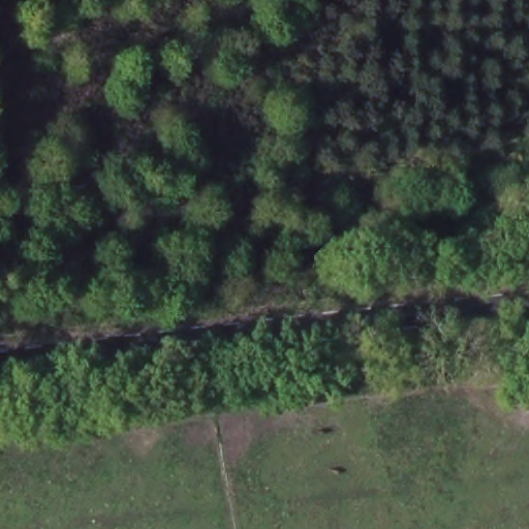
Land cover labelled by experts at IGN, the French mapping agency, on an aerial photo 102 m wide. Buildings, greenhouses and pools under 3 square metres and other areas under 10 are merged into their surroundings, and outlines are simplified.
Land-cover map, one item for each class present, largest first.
<instances>
[{"label":"deciduous trees","instance_id":"1","mask_svg":"<svg viewBox=\"0 0 529 529\"><path fill-rule=\"evenodd\" d=\"M329 6H335L339 12L345 14L351 12L353 6L347 4V0H0V339L8 345H35L39 341H54V329H68L72 333L89 335L101 331L118 333L130 324L149 329H174L180 320L219 322L238 316H250L256 320L252 335H238L229 343L217 339L215 335H205V339L188 343H182L180 339H163L157 351L149 347H130L126 351H120L114 364H107L97 347L83 349V341L72 343L70 347L60 345L52 355L33 357L27 364H21L19 360H10L8 364L0 362V446H19L23 440H29L31 444L33 434L37 432H56L58 436H62V440H74L79 444V440L87 436L93 438L95 432L101 436H114L126 434L136 428H155L157 432H172L178 426H184L186 417L194 413H248L254 405H258L262 417H273L289 411H300L302 407L316 403V397H326L329 409L339 411L345 399L343 393L376 395L380 391H393L397 395V388L401 386L422 388L436 382L446 384L457 378L467 380V384L473 388L492 386L496 391L494 399L502 411H529V318L523 316L521 302H506L500 304L494 318H475L459 322L457 310L453 308L446 310L444 320H440L436 316V302L448 291H463L486 302L502 289H529V134L523 132V136L500 138V147L494 151L508 165L492 172L490 182L494 190L488 196L479 198L471 194L467 186L463 153L457 157H436L438 147L430 145H422L417 151L411 153L407 151L401 157V163H397V167L391 172L388 180H384L374 190L378 200L382 203L380 211H368L360 219L357 227L337 238L329 229V219L322 213L302 209V196L295 192L291 184L277 180V174L283 165L302 159L298 149L304 141L308 114L306 107L293 101V91H289L287 87L293 81L316 83L320 79L322 58L316 48V37L329 23ZM419 295L428 298L430 302V324L407 335H403L401 316L395 312L380 314L372 326L360 314H349L345 326L341 329H337L331 322L322 326L314 324L308 333H295L293 324L283 320L279 335L269 333V316L275 310L283 308L298 310L300 314L333 312L347 304L351 298L360 304H372L376 300L401 304L407 298Z\"/></svg>","mask_w":529,"mask_h":529},{"label":"herbaceous vegetation","instance_id":"2","mask_svg":"<svg viewBox=\"0 0 529 529\"><path fill-rule=\"evenodd\" d=\"M496 391L492 386L473 388L467 384V380L457 378L446 384L436 382L422 388L401 386L397 388V395L393 391H380L376 395L343 393L345 399L339 411L329 409L326 397H316V403L302 407L300 411H289L273 417H262L258 405H254L248 413H194L186 417L184 426H178L172 432H157L155 428H136L126 434L114 436H101L95 432L93 438L87 436L79 440V444L74 440H62V436H58L56 432H37L33 434L31 444L29 440H23L19 446H0V529H529V411H502L494 399Z\"/></svg>","mask_w":529,"mask_h":529},{"label":"coniferous trees","instance_id":"3","mask_svg":"<svg viewBox=\"0 0 529 529\"><path fill-rule=\"evenodd\" d=\"M347 4L353 6L351 12L345 14L339 12L335 6H329V23L316 37V48L322 58L320 79L316 83L293 81L287 87L289 91H293V101L306 107L308 114L304 141L298 149L302 159L283 165L277 174V180L291 184L295 192L302 196V209L322 213L329 219V229L337 238L357 227L360 219L368 211H380L382 203L378 200L374 190L384 180H388L391 172L397 167V163H401V157L407 151L411 153L417 151L422 145H430L438 147L436 157H457L463 153L467 186L471 194L479 198L488 196L494 190L490 182L492 172L508 165L494 151L500 147V138L523 136V132L529 134V0H347Z\"/></svg>","mask_w":529,"mask_h":529},{"label":"impervious surface","instance_id":"4","mask_svg":"<svg viewBox=\"0 0 529 529\"><path fill-rule=\"evenodd\" d=\"M506 302H521L523 316L529 318V289H502L486 302L463 291H448L436 302V316L440 320H444L446 310L453 308L457 310L459 322L475 318H494L500 304ZM395 312L401 316L403 335H407L430 324V302L428 298L419 295L407 298L401 304L376 300L372 304H360L351 298L347 304L333 312L300 314L298 310L283 308L275 310L269 316V333L279 335L283 320L293 324L295 333H308L314 324L322 326L331 322L337 329H341L345 326L349 314H360L372 326L380 314ZM256 320L250 316H238L219 322L180 320L174 329H149L130 324L118 333L101 331L89 335L72 333L68 329H54V341H39L35 345H8L0 339V362L8 364L10 360H19L21 364H27L33 357L52 355L60 345L70 347L72 343L83 341V349L97 347L107 364H114L120 351H126L130 347H149L157 351L163 339H180L182 343H188L205 339V335H215L217 339L229 343L238 335H252Z\"/></svg>","mask_w":529,"mask_h":529}]
</instances>
